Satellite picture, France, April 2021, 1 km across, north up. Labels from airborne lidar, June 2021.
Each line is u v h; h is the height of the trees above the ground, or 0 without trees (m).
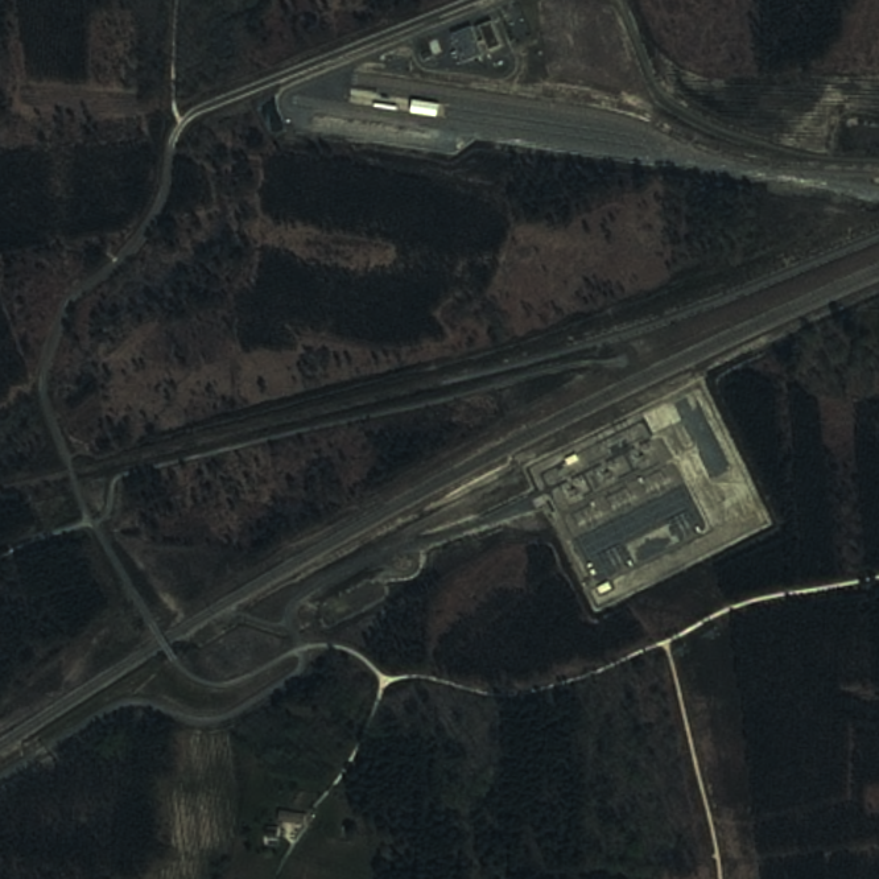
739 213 8
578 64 0
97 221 9
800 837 12
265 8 18
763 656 12
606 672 12
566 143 0
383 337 10
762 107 0
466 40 0
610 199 0
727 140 0
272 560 0
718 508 0
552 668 11
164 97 12
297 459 11
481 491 0
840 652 10
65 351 0
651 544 0
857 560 13
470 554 0
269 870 0
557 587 10
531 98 0
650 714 8
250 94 0
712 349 0
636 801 14
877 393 6
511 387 0
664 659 14
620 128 0
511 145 0
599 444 0
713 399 0
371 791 19
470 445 0
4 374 15
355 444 11
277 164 10
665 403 0
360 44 0
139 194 8
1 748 0
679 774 13
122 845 20
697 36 0
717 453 0
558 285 0
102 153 10
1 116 10
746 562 11
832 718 11
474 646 8
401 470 15
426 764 19
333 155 14
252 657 0
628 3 0
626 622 11
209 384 0
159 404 0
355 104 0
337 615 0
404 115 0
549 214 0
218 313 0
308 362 0
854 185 0
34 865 20
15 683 25
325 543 0
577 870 16
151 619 0
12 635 24
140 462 0
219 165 6
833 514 10
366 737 19
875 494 11
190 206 8
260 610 0
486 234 9
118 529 0
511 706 18
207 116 0
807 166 0
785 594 0
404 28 0
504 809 18
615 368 0
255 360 0
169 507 12
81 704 0
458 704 10
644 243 0
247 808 0
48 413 0
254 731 14
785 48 20
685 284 0
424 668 13
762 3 18
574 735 17
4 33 15
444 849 20
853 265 0
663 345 0
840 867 10
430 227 10
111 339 7
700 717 0
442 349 0
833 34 19
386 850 11
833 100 0
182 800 0
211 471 12
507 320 14
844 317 20
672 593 0
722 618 0
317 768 10
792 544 13
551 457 0
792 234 0
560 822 20
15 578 23
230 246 17
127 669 0
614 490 0
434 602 19
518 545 0
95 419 0
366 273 7
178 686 0
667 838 19
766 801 10
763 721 11
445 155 0
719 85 0
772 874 10
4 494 13
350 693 16
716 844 0
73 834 16
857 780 11
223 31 9
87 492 0
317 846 0
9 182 9
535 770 20
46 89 0
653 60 0
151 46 8
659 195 0
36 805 18
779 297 0
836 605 13
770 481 10
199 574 0
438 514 0
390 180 11
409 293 11
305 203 10
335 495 15
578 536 0
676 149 0
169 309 0
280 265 9
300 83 0
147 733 19
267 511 7
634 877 16
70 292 0
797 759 11
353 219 9
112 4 9
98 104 0
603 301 0
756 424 11
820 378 13
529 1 0
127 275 12
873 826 12
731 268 0
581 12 0
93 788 15
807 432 10
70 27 14
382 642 19
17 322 14
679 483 0
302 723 12
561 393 0
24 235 9
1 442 7
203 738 0
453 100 0
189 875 0
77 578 20
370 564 0
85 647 0
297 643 0
